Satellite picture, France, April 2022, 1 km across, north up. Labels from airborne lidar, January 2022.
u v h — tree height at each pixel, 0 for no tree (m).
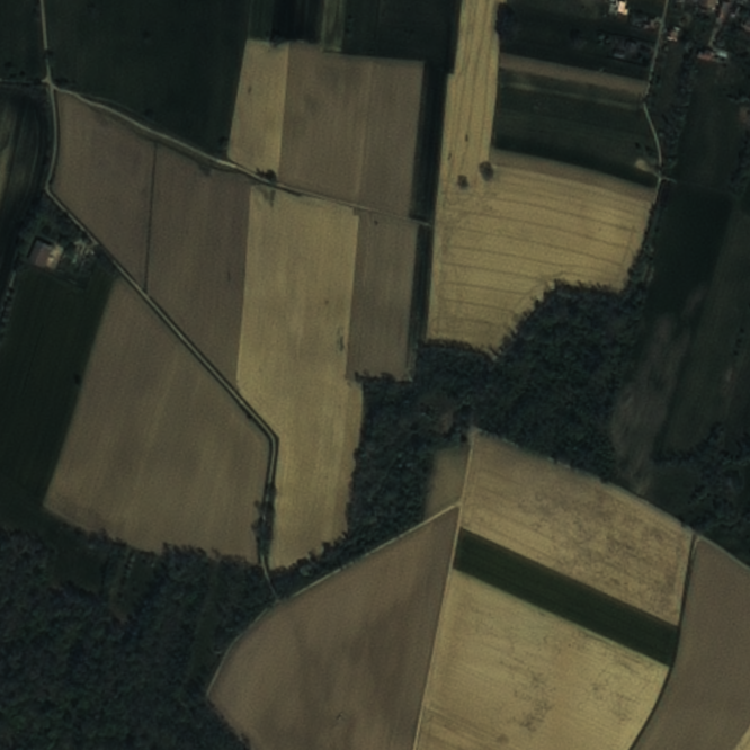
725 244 0
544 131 0
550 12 0
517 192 0
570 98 0
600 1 0
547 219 0
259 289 0
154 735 35
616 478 0
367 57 0
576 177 0
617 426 0
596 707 0
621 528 0
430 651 0
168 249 0
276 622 0
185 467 0
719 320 0
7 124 0
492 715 0
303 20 0
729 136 0
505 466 0
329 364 0
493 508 0
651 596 0
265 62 0
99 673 35
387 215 0
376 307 0
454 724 0
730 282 0
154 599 17
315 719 0
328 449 0
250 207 0
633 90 0
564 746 0
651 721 0
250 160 0
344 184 0
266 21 0
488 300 0
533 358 26
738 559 0
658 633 0
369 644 0
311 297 0
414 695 0
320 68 0
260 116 0
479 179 0
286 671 0
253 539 0
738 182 14
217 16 0
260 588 20
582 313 29
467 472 0
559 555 0
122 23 0
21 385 0
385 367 0
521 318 0
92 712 33
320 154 0
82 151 0
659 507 0
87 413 0
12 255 0
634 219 0
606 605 0
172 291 0
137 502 0
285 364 0
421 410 18
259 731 0
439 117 0
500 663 0
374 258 0
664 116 0
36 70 0
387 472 8
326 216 0
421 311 0
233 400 0
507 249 0
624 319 30
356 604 0
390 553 0
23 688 35
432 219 0
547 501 0
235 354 0
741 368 0
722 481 21
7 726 32
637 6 0
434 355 17
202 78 0
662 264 0
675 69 0
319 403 0
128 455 0
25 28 0
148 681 29
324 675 0
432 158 0
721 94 0
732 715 0
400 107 0
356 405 0
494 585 0
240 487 0
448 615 0
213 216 0
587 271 0
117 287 0
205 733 33
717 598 0
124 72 0
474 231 0
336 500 0
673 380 0
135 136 0
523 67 0
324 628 0
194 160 0
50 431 0
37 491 0
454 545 0
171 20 0
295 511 0
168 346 0
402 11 0
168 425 0
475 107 0
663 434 0
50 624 24
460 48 0
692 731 0
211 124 0
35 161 0
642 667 0
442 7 0
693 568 0
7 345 0
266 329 0
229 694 0
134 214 0
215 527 0
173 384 0
